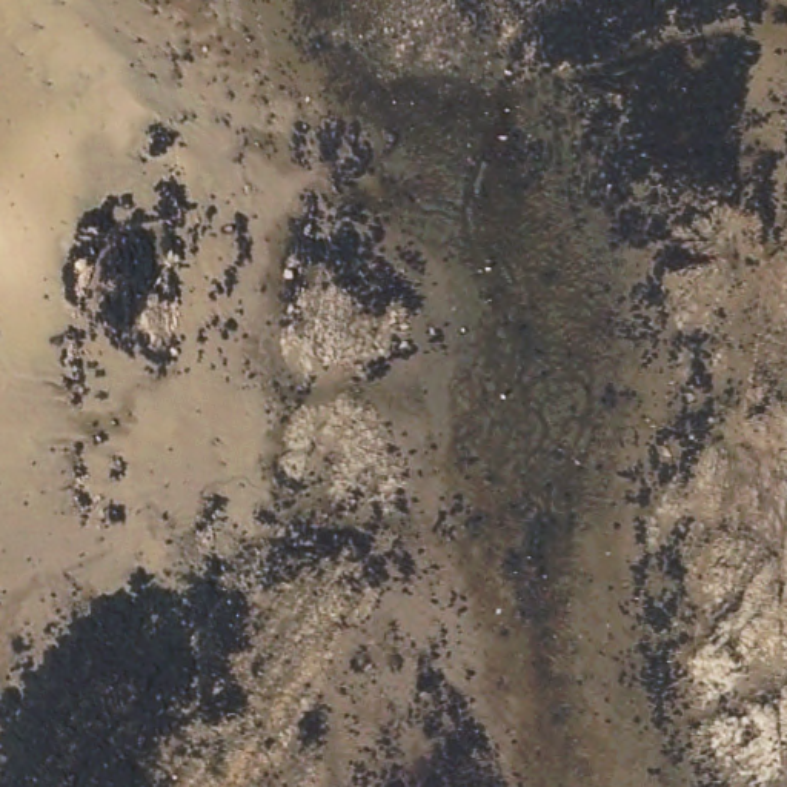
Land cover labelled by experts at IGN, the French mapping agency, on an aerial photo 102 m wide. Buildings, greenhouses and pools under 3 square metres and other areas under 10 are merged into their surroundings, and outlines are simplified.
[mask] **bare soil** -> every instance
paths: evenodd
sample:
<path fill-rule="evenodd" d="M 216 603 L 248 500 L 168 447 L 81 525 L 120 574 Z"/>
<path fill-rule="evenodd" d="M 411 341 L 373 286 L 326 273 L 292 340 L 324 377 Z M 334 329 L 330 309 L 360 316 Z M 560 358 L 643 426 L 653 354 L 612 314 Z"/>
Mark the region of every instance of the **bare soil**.
<path fill-rule="evenodd" d="M 679 28 L 676 9 L 667 9 L 664 28 L 633 31 L 633 37 L 646 49 L 664 49 L 670 40 L 676 40 L 682 46 L 682 65 L 689 71 L 704 71 L 707 61 L 719 55 L 722 40 L 729 34 L 738 34 L 741 40 L 756 40 L 759 61 L 750 68 L 747 101 L 738 114 L 738 132 L 744 141 L 762 141 L 769 151 L 778 154 L 772 191 L 775 218 L 759 221 L 759 215 L 738 212 L 732 206 L 722 206 L 719 200 L 707 200 L 710 215 L 695 218 L 686 227 L 673 227 L 673 237 L 689 252 L 704 252 L 710 264 L 664 274 L 667 298 L 661 304 L 649 304 L 643 295 L 633 295 L 630 289 L 649 280 L 655 258 L 633 246 L 609 249 L 609 215 L 584 200 L 587 181 L 593 178 L 603 160 L 581 148 L 581 135 L 590 126 L 593 111 L 599 105 L 618 108 L 624 105 L 624 95 L 606 89 L 584 89 L 572 77 L 569 61 L 553 65 L 535 55 L 535 40 L 541 37 L 541 31 L 532 22 L 535 12 L 544 9 L 544 15 L 563 15 L 566 0 L 0 0 L 0 698 L 6 695 L 6 689 L 25 686 L 22 676 L 34 673 L 43 664 L 46 649 L 52 649 L 68 633 L 74 618 L 86 618 L 92 612 L 95 596 L 126 590 L 132 572 L 144 569 L 154 575 L 157 587 L 178 593 L 188 590 L 188 572 L 206 575 L 206 556 L 227 560 L 231 572 L 221 575 L 221 587 L 240 590 L 249 599 L 249 649 L 231 655 L 231 670 L 240 689 L 246 692 L 246 713 L 237 713 L 215 726 L 194 722 L 169 738 L 160 738 L 154 781 L 169 778 L 172 787 L 387 787 L 390 781 L 409 781 L 415 762 L 427 759 L 433 750 L 424 735 L 424 719 L 433 710 L 433 698 L 430 692 L 415 686 L 421 673 L 433 670 L 440 670 L 464 695 L 473 719 L 483 726 L 489 738 L 489 747 L 498 753 L 501 781 L 507 787 L 787 787 L 787 0 L 765 0 L 759 22 L 741 18 L 738 3 L 726 3 L 726 18 L 698 28 Z M 114 292 L 114 280 L 101 280 L 98 267 L 77 261 L 80 304 L 74 307 L 65 298 L 61 264 L 68 249 L 74 246 L 74 227 L 83 212 L 101 206 L 117 221 L 126 221 L 135 212 L 148 212 L 160 203 L 160 181 L 184 184 L 184 194 L 191 200 L 184 224 L 178 227 L 184 255 L 169 252 L 160 258 L 163 267 L 172 267 L 178 274 L 181 298 L 160 301 L 148 295 L 138 323 L 132 323 L 129 329 L 117 329 L 101 323 L 98 317 L 105 295 Z M 390 264 L 390 271 L 424 298 L 418 310 L 390 304 L 384 317 L 366 317 L 363 304 L 335 286 L 335 274 L 326 264 L 298 261 L 289 252 L 286 237 L 295 240 L 304 234 L 314 240 L 326 240 L 338 231 L 357 231 L 357 237 L 366 237 L 372 234 L 375 218 L 381 218 L 384 224 L 384 240 L 372 246 L 372 255 L 381 255 Z M 338 526 L 354 526 L 357 532 L 363 532 L 372 541 L 375 553 L 390 550 L 394 538 L 403 541 L 415 563 L 412 581 L 403 581 L 403 572 L 394 563 L 384 569 L 387 581 L 378 587 L 366 587 L 363 593 L 338 587 L 341 575 L 363 572 L 363 566 L 354 560 L 354 547 L 344 547 L 338 560 L 323 560 L 323 578 L 314 578 L 314 572 L 304 569 L 295 581 L 274 584 L 271 590 L 261 587 L 267 572 L 271 538 L 289 538 L 295 547 L 314 547 L 323 529 Z"/>

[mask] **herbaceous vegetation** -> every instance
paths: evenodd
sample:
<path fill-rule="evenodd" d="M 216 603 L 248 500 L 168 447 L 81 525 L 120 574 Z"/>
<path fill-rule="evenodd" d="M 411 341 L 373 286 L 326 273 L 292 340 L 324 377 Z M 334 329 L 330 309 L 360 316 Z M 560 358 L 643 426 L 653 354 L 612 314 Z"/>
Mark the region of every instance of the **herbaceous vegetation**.
<path fill-rule="evenodd" d="M 184 194 L 184 184 L 160 181 L 160 203 L 148 212 L 135 212 L 126 221 L 117 221 L 101 206 L 83 212 L 74 227 L 74 246 L 68 249 L 61 264 L 65 298 L 74 307 L 80 304 L 77 261 L 98 267 L 101 280 L 114 280 L 114 292 L 105 295 L 98 317 L 101 323 L 117 329 L 129 329 L 132 323 L 138 323 L 148 295 L 160 301 L 181 298 L 178 274 L 172 267 L 163 267 L 160 258 L 169 252 L 184 255 L 178 227 L 184 224 L 191 200 Z"/>
<path fill-rule="evenodd" d="M 295 547 L 289 538 L 271 538 L 267 572 L 261 587 L 271 590 L 274 584 L 295 581 L 304 569 L 314 572 L 314 578 L 323 578 L 323 560 L 338 560 L 344 547 L 354 547 L 354 560 L 363 566 L 363 572 L 341 575 L 338 587 L 363 593 L 366 587 L 378 587 L 387 581 L 384 569 L 394 563 L 403 572 L 403 581 L 412 581 L 415 563 L 403 541 L 394 538 L 390 550 L 375 553 L 372 541 L 363 532 L 357 532 L 354 526 L 338 526 L 323 529 L 314 547 Z"/>
<path fill-rule="evenodd" d="M 489 747 L 489 738 L 483 726 L 473 719 L 464 695 L 440 670 L 433 670 L 421 673 L 415 686 L 430 692 L 433 698 L 433 710 L 424 719 L 424 735 L 433 750 L 427 759 L 415 762 L 409 781 L 390 781 L 387 787 L 507 787 L 501 781 L 498 753 Z"/>
<path fill-rule="evenodd" d="M 68 633 L 52 649 L 46 649 L 43 664 L 34 673 L 22 676 L 25 686 L 6 689 L 6 695 L 0 698 L 0 787 L 172 787 L 169 778 L 154 781 L 160 738 L 169 738 L 194 722 L 215 726 L 237 713 L 246 713 L 246 692 L 240 689 L 231 670 L 231 655 L 249 649 L 249 599 L 240 590 L 221 587 L 221 575 L 231 572 L 227 560 L 206 556 L 206 575 L 188 572 L 188 590 L 178 593 L 157 587 L 154 575 L 144 569 L 132 572 L 126 590 L 95 596 L 92 612 L 86 618 L 74 618 Z"/>
<path fill-rule="evenodd" d="M 535 55 L 553 65 L 569 61 L 572 77 L 584 89 L 606 89 L 624 95 L 624 105 L 618 108 L 599 105 L 593 111 L 590 126 L 581 135 L 581 148 L 603 160 L 593 178 L 587 181 L 584 200 L 609 215 L 609 249 L 633 246 L 655 258 L 649 280 L 630 289 L 633 295 L 643 295 L 649 304 L 661 304 L 667 298 L 664 274 L 710 264 L 704 252 L 689 252 L 673 237 L 673 227 L 686 227 L 695 218 L 710 215 L 707 200 L 719 200 L 722 206 L 732 206 L 738 212 L 759 215 L 759 221 L 775 218 L 772 191 L 778 154 L 769 151 L 762 141 L 744 141 L 738 132 L 738 114 L 747 101 L 750 68 L 759 61 L 756 40 L 741 40 L 738 34 L 729 34 L 722 40 L 719 55 L 707 61 L 704 71 L 689 71 L 682 65 L 682 46 L 676 40 L 670 40 L 664 49 L 646 49 L 633 37 L 633 31 L 664 28 L 667 9 L 676 9 L 679 28 L 698 28 L 726 18 L 726 3 L 738 3 L 741 18 L 759 22 L 765 0 L 566 0 L 563 15 L 544 15 L 544 9 L 535 12 L 532 22 L 541 31 L 541 37 L 535 40 Z"/>
<path fill-rule="evenodd" d="M 418 310 L 424 298 L 390 271 L 390 264 L 381 255 L 372 255 L 372 246 L 384 240 L 384 224 L 381 218 L 375 218 L 372 234 L 366 237 L 357 237 L 357 231 L 338 231 L 326 240 L 314 240 L 304 234 L 295 240 L 286 237 L 289 252 L 298 261 L 326 264 L 335 274 L 335 286 L 363 304 L 366 317 L 384 317 L 390 304 Z"/>

